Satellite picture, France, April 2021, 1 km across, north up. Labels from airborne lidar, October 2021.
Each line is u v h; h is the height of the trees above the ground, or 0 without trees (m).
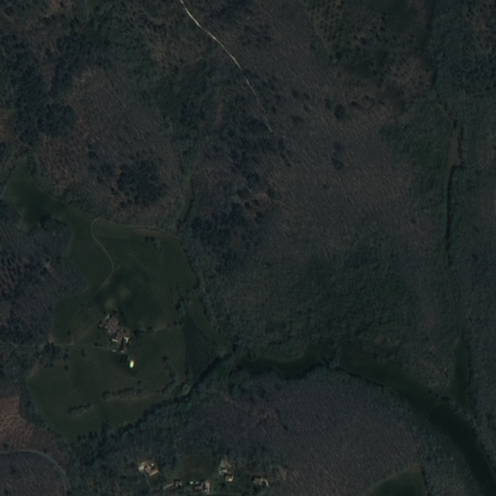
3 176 0
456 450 11
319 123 17
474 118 19
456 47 18
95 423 0
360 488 15
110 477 21
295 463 14
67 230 22
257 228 17
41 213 0
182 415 14
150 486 7
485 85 17
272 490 16
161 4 7
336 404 17
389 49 6
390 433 14
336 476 13
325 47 17
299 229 12
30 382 0
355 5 10
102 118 9
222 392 18
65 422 0
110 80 17
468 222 17
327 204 18
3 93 16
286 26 12
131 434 19
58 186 19
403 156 19
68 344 0
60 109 22
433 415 0
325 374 23
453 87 17
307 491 13
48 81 11
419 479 0
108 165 15
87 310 0
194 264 24
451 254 20
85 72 27
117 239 0
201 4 14
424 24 7
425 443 19
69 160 10
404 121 14
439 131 14
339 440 14
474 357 8
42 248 19
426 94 21
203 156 17
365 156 15
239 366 0
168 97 8
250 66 11
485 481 0
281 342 8
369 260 17
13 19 17
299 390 18
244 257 13
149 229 11
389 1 11
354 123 17
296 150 16
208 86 22
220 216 13
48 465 13
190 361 8
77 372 0
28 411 21
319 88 11
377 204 15
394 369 0
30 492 11
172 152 17
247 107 10
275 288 17
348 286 23
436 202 12
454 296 11
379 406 19
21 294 16
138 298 0
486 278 18
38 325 24
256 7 14
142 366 0
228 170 11
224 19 12
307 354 0
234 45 12
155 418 22
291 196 16
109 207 14
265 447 15
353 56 22
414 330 18
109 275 0
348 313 20
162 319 0
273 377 17
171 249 0
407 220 14
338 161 18
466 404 0
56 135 27
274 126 14
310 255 23
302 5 14
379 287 17
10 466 13
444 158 13
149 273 0
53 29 11
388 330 29
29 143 26
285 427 10
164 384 0
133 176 21
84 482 19
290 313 14
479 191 14
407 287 19
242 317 17
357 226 14
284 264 16
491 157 16
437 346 11
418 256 14
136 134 16
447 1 18
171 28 9
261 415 13
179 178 16
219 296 17
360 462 13
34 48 18
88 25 6
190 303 16
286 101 19
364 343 23
